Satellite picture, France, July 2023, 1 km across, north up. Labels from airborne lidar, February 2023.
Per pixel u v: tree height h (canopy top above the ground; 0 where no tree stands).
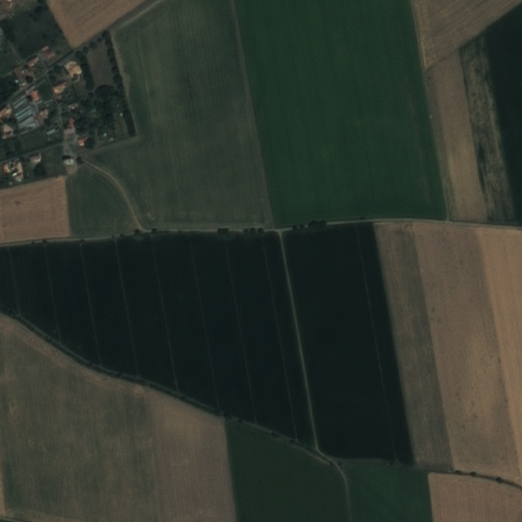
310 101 0
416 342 0
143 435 0
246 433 0
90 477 0
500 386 0
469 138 0
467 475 0
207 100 0
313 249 0
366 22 0
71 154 0
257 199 0
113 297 0
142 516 0
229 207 0
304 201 0
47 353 0
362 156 0
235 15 0
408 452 0
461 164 0
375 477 0
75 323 0
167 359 0
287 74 0
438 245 0
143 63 0
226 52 0
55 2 0
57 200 0
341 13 0
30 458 0
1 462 0
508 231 0
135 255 0
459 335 0
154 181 0
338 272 0
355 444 0
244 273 0
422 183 0
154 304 0
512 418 0
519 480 0
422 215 0
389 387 0
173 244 0
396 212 0
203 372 0
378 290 0
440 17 0
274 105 0
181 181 0
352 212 0
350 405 0
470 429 0
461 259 0
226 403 0
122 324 0
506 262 0
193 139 0
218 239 0
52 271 0
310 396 0
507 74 0
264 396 0
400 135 0
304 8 0
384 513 0
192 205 0
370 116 0
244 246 0
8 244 0
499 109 0
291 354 0
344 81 0
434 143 0
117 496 0
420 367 0
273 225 0
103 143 0
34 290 0
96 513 0
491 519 0
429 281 0
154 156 0
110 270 0
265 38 0
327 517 0
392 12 0
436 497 0
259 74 0
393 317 0
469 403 0
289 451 0
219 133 0
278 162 0
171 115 0
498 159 0
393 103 0
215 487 0
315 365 0
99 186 0
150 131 0
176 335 0
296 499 0
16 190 0
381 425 0
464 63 0
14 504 0
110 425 0
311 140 0
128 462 0
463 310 0
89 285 0
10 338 0
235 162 0
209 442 0
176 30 0
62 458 0
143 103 0
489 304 0
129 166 0
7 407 0
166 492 0
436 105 0
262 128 0
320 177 0
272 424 0
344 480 0
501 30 0
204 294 0
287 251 0
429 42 0
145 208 0
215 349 0
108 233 0
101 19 0
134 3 0
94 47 10
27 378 0
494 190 0
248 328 0
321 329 0
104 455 0
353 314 0
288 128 0
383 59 0
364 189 0
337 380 0
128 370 0
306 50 0
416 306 0
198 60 0
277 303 0
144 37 0
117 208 0
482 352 0
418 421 0
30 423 0
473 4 0
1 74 0
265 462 0
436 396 0
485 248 0
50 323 0
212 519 0
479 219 0
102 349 0
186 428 0
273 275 0
